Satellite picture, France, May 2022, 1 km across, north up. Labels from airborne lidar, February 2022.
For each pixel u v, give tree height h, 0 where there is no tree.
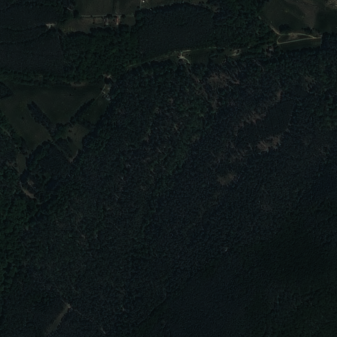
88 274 25
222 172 10
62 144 21
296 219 24
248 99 30
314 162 25
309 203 27
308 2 0
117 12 0
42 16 19
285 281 22
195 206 29
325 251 24
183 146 28
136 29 18
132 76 31
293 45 0
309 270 26
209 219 22
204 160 34
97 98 0
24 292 28
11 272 29
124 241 28
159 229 30
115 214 24
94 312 29
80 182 30
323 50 22
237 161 8
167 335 18
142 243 26
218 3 10
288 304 19
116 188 32
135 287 30
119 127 27
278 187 27
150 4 0
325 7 0
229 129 28
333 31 0
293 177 22
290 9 0
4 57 23
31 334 24
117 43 26
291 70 28
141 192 24
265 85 29
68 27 0
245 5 24
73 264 32
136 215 24
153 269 24
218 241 28
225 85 0
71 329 21
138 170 28
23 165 0
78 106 0
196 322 22
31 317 24
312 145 26
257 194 25
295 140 26
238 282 24
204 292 20
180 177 29
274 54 18
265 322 16
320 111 29
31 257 33
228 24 21
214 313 22
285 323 20
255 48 19
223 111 8
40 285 23
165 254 27
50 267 28
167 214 30
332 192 25
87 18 0
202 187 28
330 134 26
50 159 22
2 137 32
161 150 31
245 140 11
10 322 24
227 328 19
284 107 13
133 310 25
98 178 30
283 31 22
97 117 0
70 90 0
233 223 29
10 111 0
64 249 28
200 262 22
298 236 23
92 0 0
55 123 0
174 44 22
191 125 28
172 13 23
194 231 10
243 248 21
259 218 26
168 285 24
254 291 21
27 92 0
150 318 16
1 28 15
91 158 28
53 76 21
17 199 33
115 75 19
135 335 16
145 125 28
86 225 30
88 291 28
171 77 29
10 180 31
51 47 19
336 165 24
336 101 28
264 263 25
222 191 29
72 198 31
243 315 16
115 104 30
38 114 20
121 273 29
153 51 25
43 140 0
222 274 18
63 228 29
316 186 25
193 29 20
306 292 9
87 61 23
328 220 24
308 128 24
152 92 34
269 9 0
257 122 10
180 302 22
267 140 7
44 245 29
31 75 27
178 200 29
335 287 23
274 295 18
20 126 0
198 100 29
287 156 20
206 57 0
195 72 25
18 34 18
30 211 15
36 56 20
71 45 23
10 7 19
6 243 29
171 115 30
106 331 18
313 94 23
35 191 12
